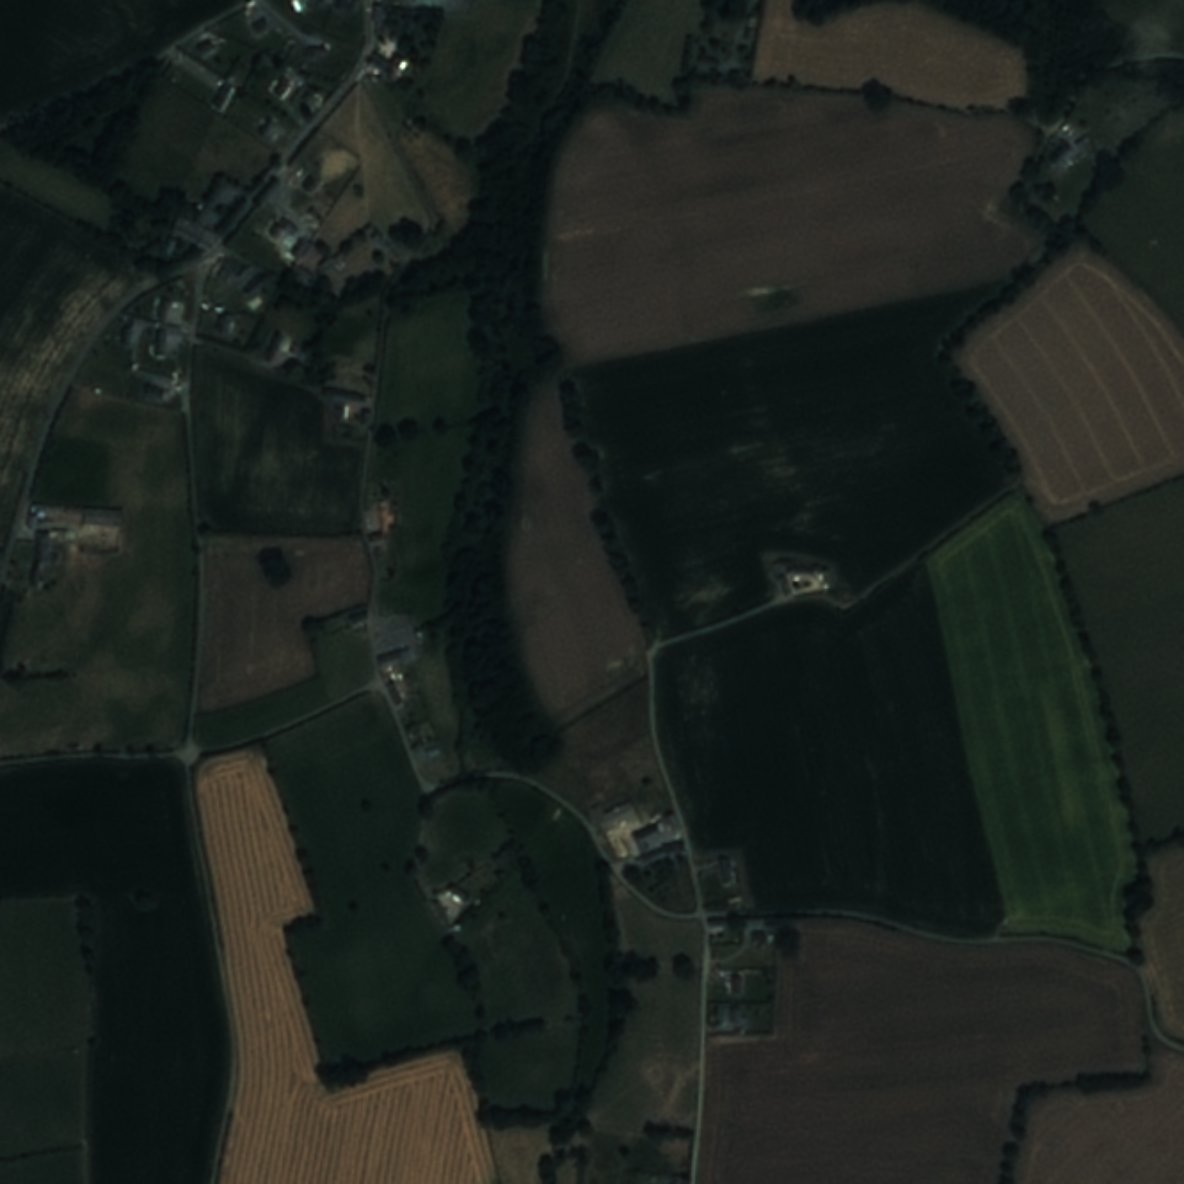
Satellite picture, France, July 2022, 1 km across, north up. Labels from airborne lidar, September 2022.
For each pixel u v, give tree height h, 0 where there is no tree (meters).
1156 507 0
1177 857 0
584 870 0
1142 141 6
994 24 14
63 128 18
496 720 13
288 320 0
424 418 0
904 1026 0
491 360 9
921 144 0
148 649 0
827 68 0
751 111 0
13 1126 0
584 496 0
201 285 0
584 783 0
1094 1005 0
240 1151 0
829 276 0
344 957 0
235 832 0
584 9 0
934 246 0
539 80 21
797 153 0
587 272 0
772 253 0
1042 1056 0
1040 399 0
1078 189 0
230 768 0
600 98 6
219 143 0
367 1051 0
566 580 0
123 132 19
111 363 0
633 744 0
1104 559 0
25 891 0
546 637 0
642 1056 0
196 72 0
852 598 0
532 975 0
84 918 12
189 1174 0
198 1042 0
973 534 0
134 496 0
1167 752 0
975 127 0
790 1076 0
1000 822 0
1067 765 0
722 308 0
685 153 0
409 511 0
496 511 25
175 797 0
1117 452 0
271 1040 0
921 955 0
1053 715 0
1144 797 0
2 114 0
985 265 0
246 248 0
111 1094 0
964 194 0
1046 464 0
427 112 0
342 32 0
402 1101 0
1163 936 0
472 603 17
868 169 0
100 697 0
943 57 0
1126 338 0
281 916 0
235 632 0
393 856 0
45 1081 0
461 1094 0
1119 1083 12
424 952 0
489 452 13
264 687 0
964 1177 0
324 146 0
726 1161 0
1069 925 0
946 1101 0
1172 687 0
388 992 0
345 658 0
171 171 0
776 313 0
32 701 0
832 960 0
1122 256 0
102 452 0
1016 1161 7
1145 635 0
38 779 0
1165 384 0
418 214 0
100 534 0
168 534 0
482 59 0
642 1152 0
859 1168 0
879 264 0
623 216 0
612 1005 15
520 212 11
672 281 0
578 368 0
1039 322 0
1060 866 0
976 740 0
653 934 0
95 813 0
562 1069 0
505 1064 0
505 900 0
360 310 0
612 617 0
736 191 0
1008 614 0
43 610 0
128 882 0
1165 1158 0
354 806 0
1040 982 0
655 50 0
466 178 0
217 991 0
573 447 0
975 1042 0
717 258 0
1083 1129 0
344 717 0
